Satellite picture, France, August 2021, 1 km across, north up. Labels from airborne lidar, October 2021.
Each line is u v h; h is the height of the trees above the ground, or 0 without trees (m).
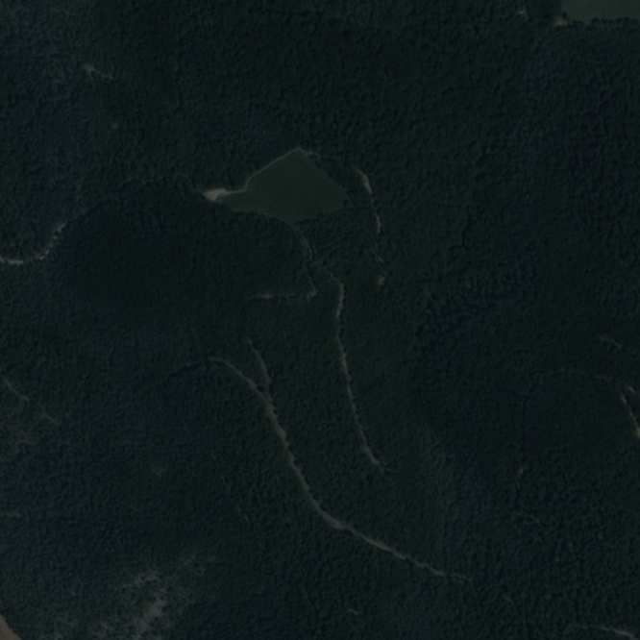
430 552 18
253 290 21
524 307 17
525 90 16
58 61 17
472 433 20
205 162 17
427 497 16
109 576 7
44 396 7
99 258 21
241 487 19
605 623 25
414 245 13
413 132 24
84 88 14
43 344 13
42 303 13
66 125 20
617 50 19
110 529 12
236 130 12
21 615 9
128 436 9
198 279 26
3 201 20
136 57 21
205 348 16
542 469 15
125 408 10
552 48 15
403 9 16
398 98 22
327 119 27
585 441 21
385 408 16
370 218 12
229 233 25
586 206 18
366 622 17
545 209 17
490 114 15
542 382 18
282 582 21
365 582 18
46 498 19
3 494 15
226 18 22
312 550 16
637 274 25
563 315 20
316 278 16
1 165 15
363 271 25
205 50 12
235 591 11
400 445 20
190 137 15
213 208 15
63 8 11
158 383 17
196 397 17
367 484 22
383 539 26
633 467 27
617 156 25
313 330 14
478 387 20
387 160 11
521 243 16
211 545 11
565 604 20
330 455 18
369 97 17
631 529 18
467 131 27
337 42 23
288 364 18
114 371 8
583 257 20
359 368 13
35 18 13
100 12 14
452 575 21
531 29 21
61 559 15
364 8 17
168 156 18
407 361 25
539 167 17
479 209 26
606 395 22
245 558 15
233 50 16
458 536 19
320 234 13
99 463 14
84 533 9
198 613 11
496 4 13
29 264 10
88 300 16
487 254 22
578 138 14
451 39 18
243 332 21
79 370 19
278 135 15
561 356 17
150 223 21
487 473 19
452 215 26
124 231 22
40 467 7
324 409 20
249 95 11
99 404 14
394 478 25
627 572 23
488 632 11
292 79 25
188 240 29
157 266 20
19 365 7
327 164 16
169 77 21
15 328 13
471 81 19
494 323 19
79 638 15
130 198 22
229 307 24
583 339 23
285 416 21
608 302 27
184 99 15
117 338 10
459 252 32
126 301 18
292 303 13
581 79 22
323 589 18
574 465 16
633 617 23
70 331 10
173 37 13
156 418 10
